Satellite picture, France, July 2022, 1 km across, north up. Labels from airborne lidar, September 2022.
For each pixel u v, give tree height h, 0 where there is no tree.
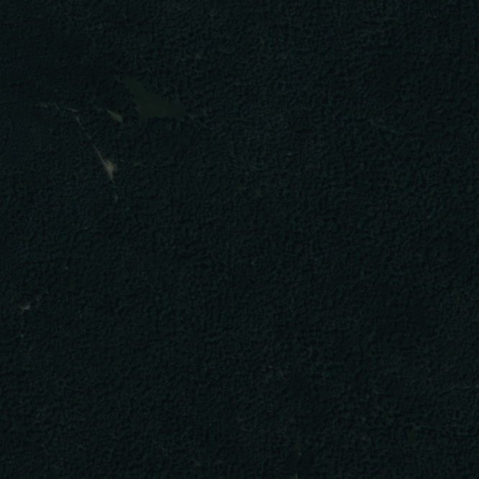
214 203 16
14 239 24
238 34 14
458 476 8
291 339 20
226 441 18
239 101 23
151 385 10
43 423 17
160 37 21
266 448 19
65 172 25
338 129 10
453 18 29
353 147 18
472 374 14
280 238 20
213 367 21
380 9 21
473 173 19
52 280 22
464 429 22
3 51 11
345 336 15
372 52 25
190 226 15
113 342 15
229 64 17
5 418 21
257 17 22
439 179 30
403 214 22
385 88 27
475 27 24
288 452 15
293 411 17
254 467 20
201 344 8
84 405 7
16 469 17
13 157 28
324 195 17
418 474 16
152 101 0
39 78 23
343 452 16
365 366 24
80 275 18
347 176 19
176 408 24
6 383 17
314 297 26
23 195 15
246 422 9
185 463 14
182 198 14
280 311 20
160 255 24
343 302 24
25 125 25
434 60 25
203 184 16
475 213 20
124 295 18
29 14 21
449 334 18
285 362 20
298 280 22
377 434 27
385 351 17
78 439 15
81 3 7
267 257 20
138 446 25
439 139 20
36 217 23
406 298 10
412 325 20
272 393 16
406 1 28
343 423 22
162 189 19
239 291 23
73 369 16
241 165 15
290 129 27
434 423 22
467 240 7
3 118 27
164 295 21
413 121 24
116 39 21
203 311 22
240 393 12
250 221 20
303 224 26
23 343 22
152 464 17
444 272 26
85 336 20
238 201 11
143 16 7
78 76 23
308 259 7
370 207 24
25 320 14
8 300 24
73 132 16
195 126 27
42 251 25
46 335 12
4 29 16
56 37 12
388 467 21
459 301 15
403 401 20
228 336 19
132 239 26
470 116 15
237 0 7
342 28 17
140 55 25
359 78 17
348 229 25
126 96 10
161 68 6
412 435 24
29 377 20
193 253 9
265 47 10
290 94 24
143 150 20
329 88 23
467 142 18
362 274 22
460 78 24
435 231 22
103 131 15
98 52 14
